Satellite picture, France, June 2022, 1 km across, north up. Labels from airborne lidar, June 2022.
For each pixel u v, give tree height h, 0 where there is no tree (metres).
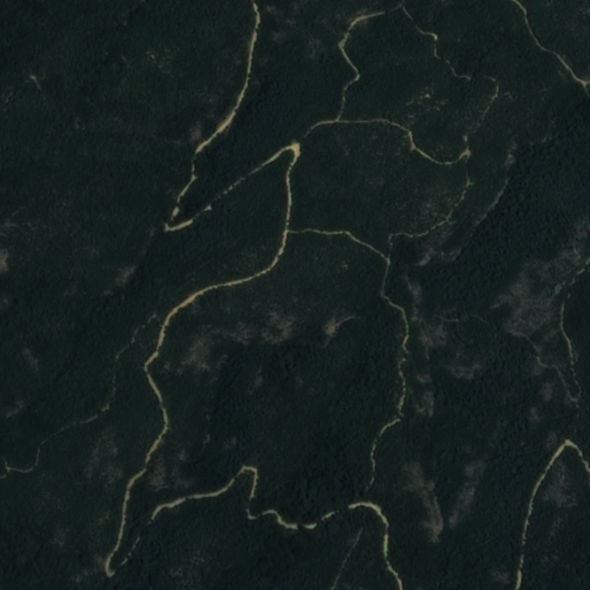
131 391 10
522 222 12
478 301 13
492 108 12
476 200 6
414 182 8
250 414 10
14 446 10
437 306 12
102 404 10
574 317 10
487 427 12
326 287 10
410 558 6
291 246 10
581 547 8
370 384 9
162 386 8
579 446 8
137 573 9
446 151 8
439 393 13
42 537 8
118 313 8
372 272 9
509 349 8
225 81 9
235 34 8
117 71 8
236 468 8
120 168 11
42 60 9
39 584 5
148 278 6
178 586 7
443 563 8
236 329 7
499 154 6
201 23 9
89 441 7
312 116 8
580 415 12
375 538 10
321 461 17
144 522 15
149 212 13
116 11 11
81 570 11
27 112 9
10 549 11
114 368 12
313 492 16
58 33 6
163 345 7
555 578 9
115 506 7
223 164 9
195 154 15
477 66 16
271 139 12
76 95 17
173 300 8
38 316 5
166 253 10
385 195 13
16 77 5
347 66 10
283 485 15
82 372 7
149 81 11
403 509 9
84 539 8
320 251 9
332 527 18
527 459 14
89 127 13
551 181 7
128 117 9
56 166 8
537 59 15
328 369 6
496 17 6
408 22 9
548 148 7
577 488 7
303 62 8
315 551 6
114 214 7
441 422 6
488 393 7
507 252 14
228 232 7
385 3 8
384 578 11
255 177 7
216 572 7
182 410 10
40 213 7
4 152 10
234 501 6
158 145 12
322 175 6
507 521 12
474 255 13
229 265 8
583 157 12
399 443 10
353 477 8
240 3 10
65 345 7
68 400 5
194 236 8
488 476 6
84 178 9
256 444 11
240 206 11
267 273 8
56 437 9
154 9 13
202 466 6
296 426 5
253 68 7
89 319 6
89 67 16
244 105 7
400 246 11
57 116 12
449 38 7
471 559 7
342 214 6
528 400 9
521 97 11
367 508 5
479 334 7
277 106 13
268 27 8
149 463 10
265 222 6
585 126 14
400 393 9
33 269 7
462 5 8
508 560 11
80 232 12
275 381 13
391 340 6
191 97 7
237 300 9
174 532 10
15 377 10
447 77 7
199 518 7
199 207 14
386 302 9
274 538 19
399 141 7
